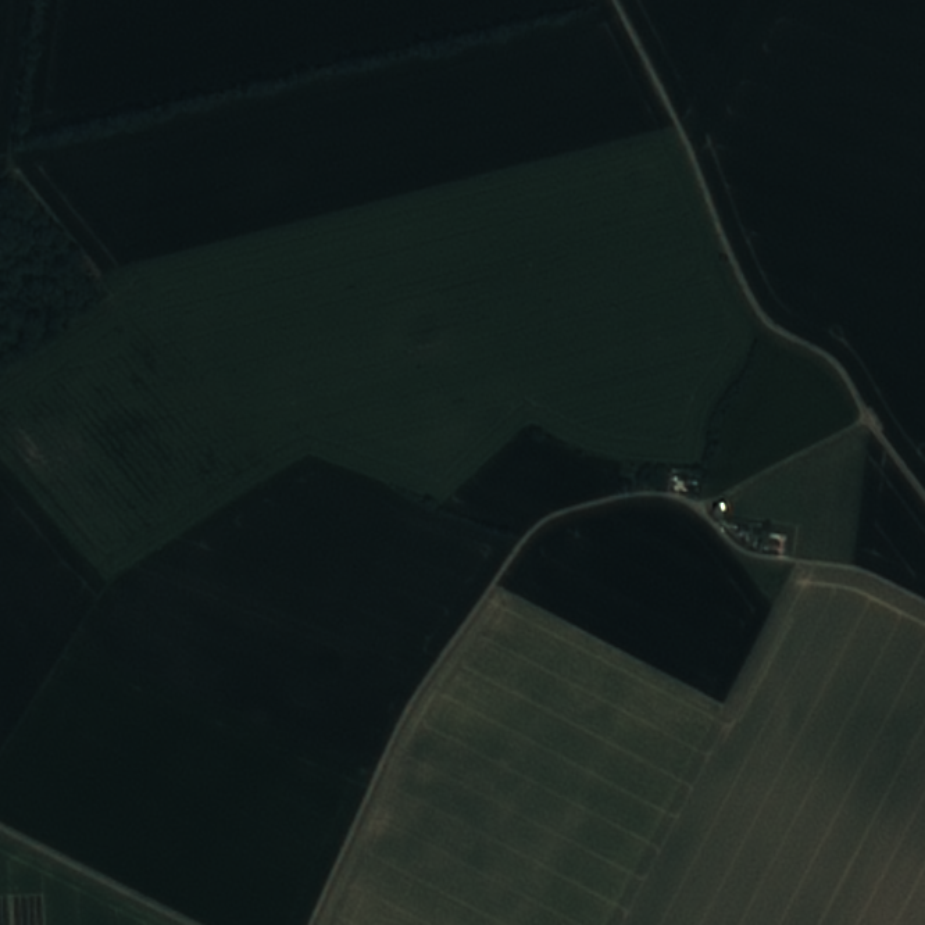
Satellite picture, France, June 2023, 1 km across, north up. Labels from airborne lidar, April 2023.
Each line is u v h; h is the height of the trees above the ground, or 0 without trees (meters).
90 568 0
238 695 0
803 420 0
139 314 0
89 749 0
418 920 0
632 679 0
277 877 0
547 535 0
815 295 0
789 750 0
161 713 0
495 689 0
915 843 0
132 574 0
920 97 0
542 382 0
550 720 0
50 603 0
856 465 0
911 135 0
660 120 0
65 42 0
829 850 0
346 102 0
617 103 0
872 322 0
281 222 0
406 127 0
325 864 0
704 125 0
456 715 0
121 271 0
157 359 0
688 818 0
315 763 0
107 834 0
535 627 0
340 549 0
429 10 0
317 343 0
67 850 0
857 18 0
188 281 0
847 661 0
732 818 0
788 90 0
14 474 0
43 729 0
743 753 0
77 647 0
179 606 0
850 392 0
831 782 0
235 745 0
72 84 0
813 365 0
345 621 0
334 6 0
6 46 0
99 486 0
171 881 0
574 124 0
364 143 0
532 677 0
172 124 0
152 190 0
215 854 0
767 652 0
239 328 0
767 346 0
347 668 0
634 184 0
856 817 0
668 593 0
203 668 0
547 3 0
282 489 0
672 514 0
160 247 0
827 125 0
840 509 0
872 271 0
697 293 0
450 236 0
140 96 0
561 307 0
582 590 0
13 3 0
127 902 0
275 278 0
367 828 0
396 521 0
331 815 0
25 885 0
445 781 0
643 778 0
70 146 0
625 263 0
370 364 0
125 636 0
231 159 0
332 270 0
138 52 0
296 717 0
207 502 0
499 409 0
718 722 0
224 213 0
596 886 0
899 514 0
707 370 0
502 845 0
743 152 0
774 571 0
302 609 0
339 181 0
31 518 0
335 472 0
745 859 0
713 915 0
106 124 16
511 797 0
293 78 12
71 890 0
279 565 0
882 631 0
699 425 0
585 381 0
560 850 0
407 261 0
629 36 0
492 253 0
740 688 0
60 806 0
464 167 0
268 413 0
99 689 0
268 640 0
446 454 0
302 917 0
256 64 0
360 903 0
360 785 0
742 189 0
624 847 0
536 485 0
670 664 0
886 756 0
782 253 0
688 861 0
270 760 0
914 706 0
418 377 0
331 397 0
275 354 0
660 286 0
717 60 0
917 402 0
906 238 0
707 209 0
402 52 7
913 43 0
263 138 0
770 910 0
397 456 0
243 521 0
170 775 0
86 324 0
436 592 0
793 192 0
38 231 25
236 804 0
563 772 0
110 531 0
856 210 0
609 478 0
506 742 0
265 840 0
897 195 0
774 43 0
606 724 0
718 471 0
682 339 0
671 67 0
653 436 0
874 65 0
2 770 0
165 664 0
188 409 0
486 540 0
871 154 0
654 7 0
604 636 0
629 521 0
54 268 19
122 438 0
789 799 0
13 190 16
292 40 0
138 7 0
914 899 0
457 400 0
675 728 0
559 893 0
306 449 0
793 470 0
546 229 0
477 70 0
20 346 22
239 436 0
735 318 0
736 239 0
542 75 0
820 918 0
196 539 0
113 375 0
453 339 0
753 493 0
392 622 0
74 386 0
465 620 0
